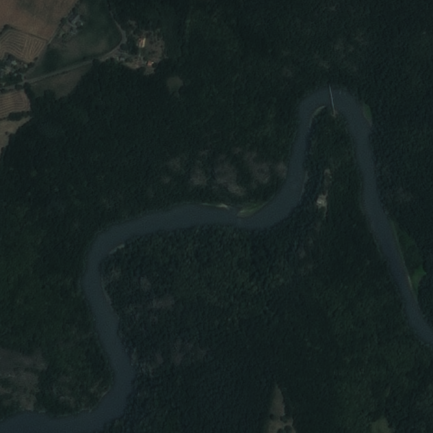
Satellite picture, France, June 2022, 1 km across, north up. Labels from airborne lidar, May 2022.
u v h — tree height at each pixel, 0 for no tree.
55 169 20
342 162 8
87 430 0
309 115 0
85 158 19
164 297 10
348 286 17
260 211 0
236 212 0
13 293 19
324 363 22
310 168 14
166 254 18
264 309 24
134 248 20
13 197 11
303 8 16
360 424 13
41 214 20
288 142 12
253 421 17
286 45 17
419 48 9
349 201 20
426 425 18
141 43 0
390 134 14
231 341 16
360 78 11
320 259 15
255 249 27
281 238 27
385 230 0
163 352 9
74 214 17
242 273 19
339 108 0
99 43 0
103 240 0
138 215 8
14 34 0
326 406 19
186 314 14
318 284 16
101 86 16
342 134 20
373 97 19
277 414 0
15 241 18
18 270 14
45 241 23
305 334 18
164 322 7
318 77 16
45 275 24
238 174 13
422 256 14
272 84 13
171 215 0
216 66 16
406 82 16
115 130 18
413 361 14
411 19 19
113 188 19
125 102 11
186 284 16
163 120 10
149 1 23
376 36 11
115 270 6
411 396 17
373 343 17
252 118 12
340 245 23
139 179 15
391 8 20
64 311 19
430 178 19
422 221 25
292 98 19
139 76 18
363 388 15
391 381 17
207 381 18
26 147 14
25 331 20
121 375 0
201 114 16
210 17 14
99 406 0
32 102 12
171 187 7
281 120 18
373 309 14
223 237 19
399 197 6
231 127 9
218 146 13
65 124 17
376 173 9
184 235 22
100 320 0
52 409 18
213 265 11
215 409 23
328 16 12
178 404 31
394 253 0
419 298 9
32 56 0
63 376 7
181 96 14
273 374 13
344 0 10
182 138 13
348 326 17
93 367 17
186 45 16
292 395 11
